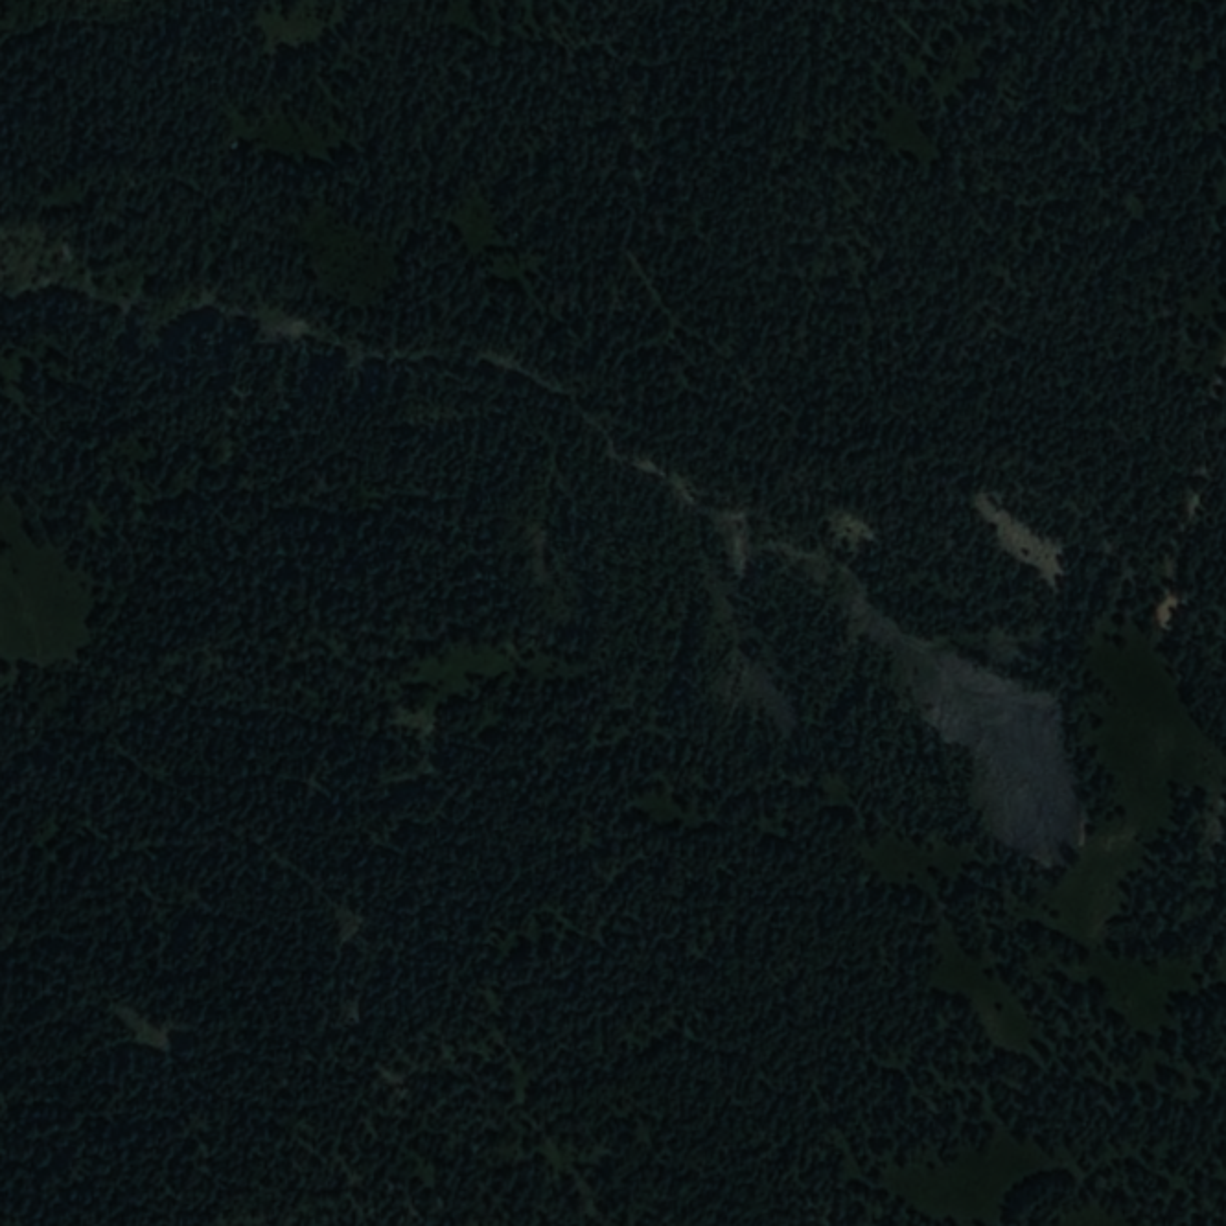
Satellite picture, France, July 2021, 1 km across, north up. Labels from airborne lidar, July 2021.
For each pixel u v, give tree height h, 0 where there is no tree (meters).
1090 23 22
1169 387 18
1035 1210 17
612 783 22
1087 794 18
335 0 12
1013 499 14
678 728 19
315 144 0
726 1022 26
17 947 9
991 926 8
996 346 24
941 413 15
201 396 30
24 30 13
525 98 28
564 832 18
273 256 24
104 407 20
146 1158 23
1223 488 17
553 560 12
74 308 23
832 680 22
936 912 24
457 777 17
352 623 18
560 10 20
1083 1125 26
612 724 23
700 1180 17
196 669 20
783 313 14
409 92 33
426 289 12
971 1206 0
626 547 15
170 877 27
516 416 29
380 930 21
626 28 17
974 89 22
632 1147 20
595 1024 24
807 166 25
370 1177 15
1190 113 22
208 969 21
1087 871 0
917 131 0
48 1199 24
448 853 22
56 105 31
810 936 22
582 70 17
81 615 0
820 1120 22
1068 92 26
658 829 28
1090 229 18
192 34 15
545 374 15
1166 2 21
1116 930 6
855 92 22
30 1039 23
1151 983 0
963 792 12
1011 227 24
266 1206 15
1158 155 19
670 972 12
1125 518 14
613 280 13
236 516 27
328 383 25
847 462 16
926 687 0
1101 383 21
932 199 24
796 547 7
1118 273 15
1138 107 28
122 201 10
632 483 12
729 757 13
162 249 24
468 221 0
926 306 20
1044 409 21
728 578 7
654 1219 19
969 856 0
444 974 17
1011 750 0
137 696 28
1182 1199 19
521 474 18
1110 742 0
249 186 25
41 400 35
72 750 12
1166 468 20
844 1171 19
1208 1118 30
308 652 9
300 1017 22
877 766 21
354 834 25
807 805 26
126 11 10
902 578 16
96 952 10
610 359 29
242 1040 19
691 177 11
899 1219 24
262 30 28
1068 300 19
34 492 22
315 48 19
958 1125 21
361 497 12
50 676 16
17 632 0
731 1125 13
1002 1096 23
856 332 24
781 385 19
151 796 13
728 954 25
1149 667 0
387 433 19
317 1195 15
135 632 19
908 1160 17
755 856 19
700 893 27
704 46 12
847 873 15
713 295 15
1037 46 32
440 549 14
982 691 0
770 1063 21
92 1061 16
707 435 24
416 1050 24
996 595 16
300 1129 7
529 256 21
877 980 22
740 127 26
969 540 23
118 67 25
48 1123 28
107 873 29
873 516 16
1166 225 23
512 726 12
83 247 18
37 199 27
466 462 17
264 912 25
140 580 21
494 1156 9
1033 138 14
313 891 23
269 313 0
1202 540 18
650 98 25
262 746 23
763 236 23
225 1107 19
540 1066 22
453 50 29
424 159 37
